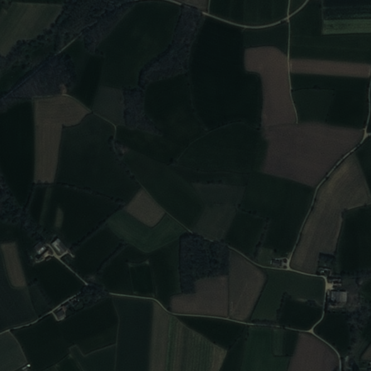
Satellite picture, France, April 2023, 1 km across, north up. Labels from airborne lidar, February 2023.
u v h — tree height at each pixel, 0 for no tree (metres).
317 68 0
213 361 0
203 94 0
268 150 0
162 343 0
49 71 24
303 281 0
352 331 15
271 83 0
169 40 0
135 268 0
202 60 0
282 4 0
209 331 0
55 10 0
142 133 0
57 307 0
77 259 0
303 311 0
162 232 0
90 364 0
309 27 0
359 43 0
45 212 0
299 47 0
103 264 10
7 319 0
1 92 0
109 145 9
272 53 0
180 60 12
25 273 0
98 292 15
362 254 0
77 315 0
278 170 0
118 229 0
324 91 0
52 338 0
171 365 0
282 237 0
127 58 0
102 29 16
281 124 0
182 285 11
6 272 0
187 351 0
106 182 0
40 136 0
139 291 0
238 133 0
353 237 0
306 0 0
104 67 0
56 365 0
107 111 0
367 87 6
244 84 0
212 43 0
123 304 0
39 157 0
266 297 0
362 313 17
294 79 0
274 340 0
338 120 0
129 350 0
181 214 0
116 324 0
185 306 0
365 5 0
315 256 0
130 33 0
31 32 0
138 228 0
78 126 0
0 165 0
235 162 0
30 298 0
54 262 0
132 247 0
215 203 0
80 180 0
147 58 0
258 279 0
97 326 0
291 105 0
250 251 0
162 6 0
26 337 0
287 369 0
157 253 0
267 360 0
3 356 0
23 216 14
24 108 0
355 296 0
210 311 0
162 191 0
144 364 0
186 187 0
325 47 0
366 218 0
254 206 0
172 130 0
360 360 0
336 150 0
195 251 21
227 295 0
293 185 0
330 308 0
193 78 0
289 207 0
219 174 0
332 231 0
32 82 24
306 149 0
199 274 16
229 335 0
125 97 11
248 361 0
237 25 0
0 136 0
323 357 0
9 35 0
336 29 0
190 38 10
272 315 0
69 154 0
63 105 0
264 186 0
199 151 0
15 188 0
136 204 0
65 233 0
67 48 0
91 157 0
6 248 0
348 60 0
